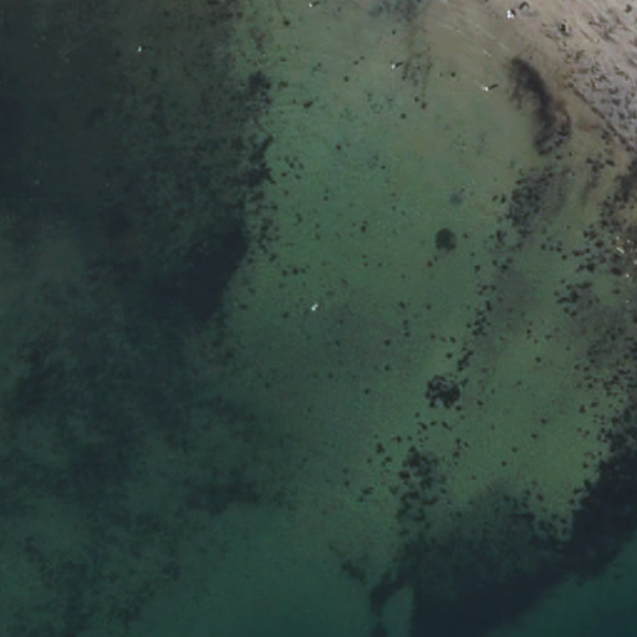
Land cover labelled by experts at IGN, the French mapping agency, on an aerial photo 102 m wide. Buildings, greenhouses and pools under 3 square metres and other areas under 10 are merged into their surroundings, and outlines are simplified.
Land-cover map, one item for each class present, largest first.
<instances>
[{"label":"water","instance_id":"1","mask_svg":"<svg viewBox=\"0 0 637 637\"><path fill-rule=\"evenodd\" d=\"M430 5L428 0H0V637H637V157L630 162L627 174L615 179L605 172V167H612L615 159L587 157L585 162L570 167V142L540 157L532 144L535 100H510L515 82L510 80V62L500 67L483 65L490 87L488 92H473L458 77L453 62L430 55V42L425 40V25L421 17Z\"/></svg>","mask_w":637,"mask_h":637},{"label":"bare soil","instance_id":"2","mask_svg":"<svg viewBox=\"0 0 637 637\"><path fill-rule=\"evenodd\" d=\"M430 5L421 17L425 25V40L430 42V55L453 62L458 77L473 92H488L490 87L483 65L500 67L510 62V80L515 82L510 100H535L532 144L540 157L570 142V167L585 162L587 157L615 159L612 167H605V172L615 179L627 174L630 162L637 157V0H428Z\"/></svg>","mask_w":637,"mask_h":637}]
</instances>
